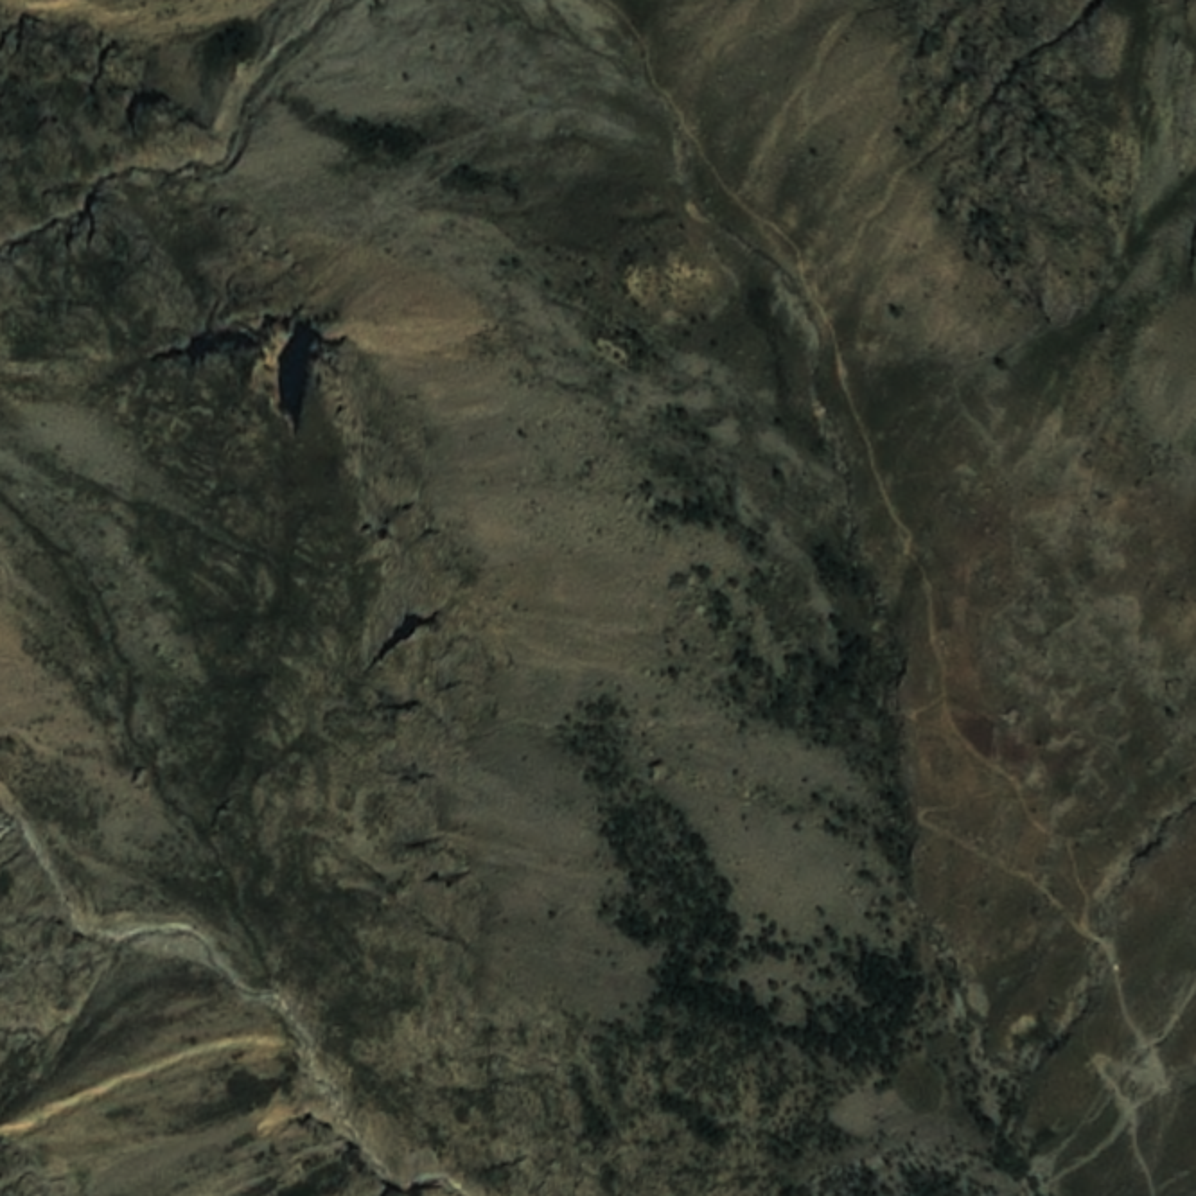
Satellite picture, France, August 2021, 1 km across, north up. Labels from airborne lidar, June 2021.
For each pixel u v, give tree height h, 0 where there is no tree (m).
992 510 0
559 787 0
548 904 0
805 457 0
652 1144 7
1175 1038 0
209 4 0
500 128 0
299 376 0
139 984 0
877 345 0
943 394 0
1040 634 0
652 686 0
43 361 0
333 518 0
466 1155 0
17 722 0
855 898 0
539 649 0
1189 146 0
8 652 0
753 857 0
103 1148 0
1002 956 0
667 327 0
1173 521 0
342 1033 0
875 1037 8
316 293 0
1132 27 0
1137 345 0
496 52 0
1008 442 0
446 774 0
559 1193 0
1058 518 0
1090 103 0
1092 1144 0
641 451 0
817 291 0
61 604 0
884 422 0
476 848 0
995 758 0
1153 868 0
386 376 0
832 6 0
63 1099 0
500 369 0
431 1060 0
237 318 0
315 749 0
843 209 0
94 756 0
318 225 0
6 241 0
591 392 0
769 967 0
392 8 0
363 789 0
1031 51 0
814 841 0
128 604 0
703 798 0
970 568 0
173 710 0
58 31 0
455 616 0
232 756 0
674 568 0
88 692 0
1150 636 0
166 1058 0
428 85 0
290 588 0
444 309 0
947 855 0
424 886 0
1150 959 0
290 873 0
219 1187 0
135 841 0
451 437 0
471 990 0
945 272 0
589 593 0
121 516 0
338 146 0
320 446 0
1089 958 0
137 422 0
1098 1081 0
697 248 0
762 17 0
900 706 0
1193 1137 0
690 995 11
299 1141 0
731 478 0
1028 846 0
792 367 0
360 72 0
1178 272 0
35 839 0
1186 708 0
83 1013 0
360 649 0
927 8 0
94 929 0
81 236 0
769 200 0
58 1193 0
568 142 0
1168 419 0
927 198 0
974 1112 7
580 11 0
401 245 0
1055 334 0
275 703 0
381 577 0
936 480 0
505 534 0
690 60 0
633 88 0
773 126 0
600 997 0
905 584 0
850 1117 0
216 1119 0
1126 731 0
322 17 0
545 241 0
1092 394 0
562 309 0
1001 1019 0
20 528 0
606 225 0
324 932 0
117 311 0
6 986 0
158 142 0
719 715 0
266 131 0
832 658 0
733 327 0
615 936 0
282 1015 0
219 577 0
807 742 0
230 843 0
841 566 9
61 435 0
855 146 0
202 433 0
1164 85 0
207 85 0
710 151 0
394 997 0
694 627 0
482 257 0
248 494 0
